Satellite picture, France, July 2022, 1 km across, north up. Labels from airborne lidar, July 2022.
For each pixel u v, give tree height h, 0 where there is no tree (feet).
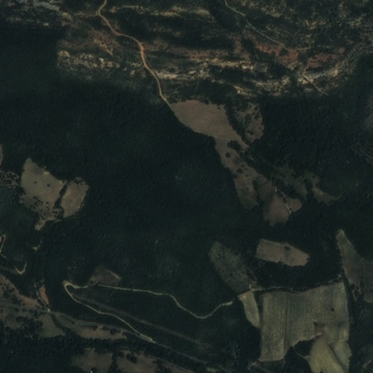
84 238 41
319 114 35
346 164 20
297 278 22
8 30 39
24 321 58
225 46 25
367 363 20
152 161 54
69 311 23
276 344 0
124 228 24
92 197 39
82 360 0
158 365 28
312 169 26
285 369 43
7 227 22
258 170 41
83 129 40
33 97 44
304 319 0
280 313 0
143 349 27
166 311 33
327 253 30
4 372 57
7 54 26
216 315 27
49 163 45
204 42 27
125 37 20
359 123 24
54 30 27
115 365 28
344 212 37
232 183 30
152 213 39
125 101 27
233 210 21
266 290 23
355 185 26
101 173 38
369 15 20
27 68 22
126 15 21
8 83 22
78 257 25
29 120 42
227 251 0
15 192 40
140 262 37
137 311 31
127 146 30
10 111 47
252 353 36
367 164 39
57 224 36
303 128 59
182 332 31
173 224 34
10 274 35
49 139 37
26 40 28
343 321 0
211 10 21
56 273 26
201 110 0
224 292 23
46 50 21
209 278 25
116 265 26
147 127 33
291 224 54
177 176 19
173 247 18
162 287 19
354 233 42
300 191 0
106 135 64
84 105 35
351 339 29
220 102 25
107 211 25
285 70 32
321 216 34
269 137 40
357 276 0
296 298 0
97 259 29
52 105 48
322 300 0
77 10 18
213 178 29
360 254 35
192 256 23
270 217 0
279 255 0
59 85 29
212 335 23
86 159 50
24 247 29
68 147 25
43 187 0
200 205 26
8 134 49
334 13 39
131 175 61
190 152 49
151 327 26
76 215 21
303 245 41
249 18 23
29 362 41
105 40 0
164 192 60
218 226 18
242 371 31
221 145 0
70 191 0
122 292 24
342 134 24
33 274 42
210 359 26
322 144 81
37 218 38
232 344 56
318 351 0
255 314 0
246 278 0
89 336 0
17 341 47
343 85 24
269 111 51
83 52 22
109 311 19
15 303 40
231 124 26
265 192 0
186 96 20
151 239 22
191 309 21
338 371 0
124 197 45
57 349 34
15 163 36
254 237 32
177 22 22
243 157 32
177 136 28
